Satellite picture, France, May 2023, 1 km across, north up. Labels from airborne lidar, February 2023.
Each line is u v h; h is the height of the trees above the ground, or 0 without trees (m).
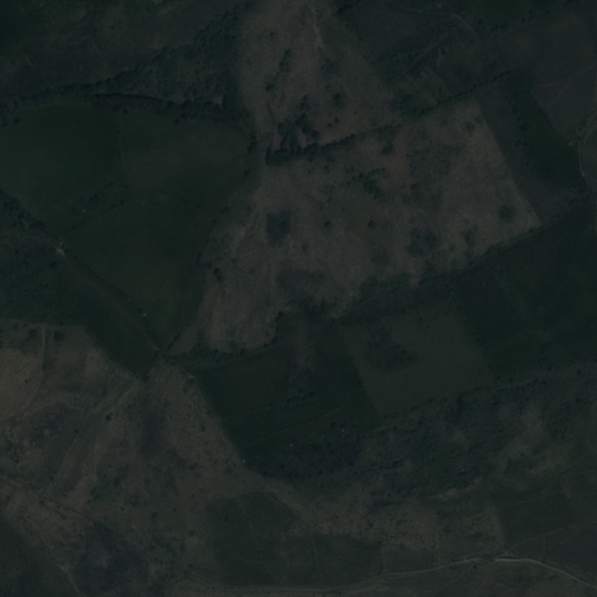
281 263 0
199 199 0
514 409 0
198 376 0
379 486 0
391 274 0
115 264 0
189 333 0
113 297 0
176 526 0
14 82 0
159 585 0
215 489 0
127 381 0
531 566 0
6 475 0
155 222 0
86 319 0
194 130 0
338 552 0
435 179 0
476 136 0
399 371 0
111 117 0
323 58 0
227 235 0
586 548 0
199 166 0
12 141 0
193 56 11
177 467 0
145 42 0
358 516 0
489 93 0
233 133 0
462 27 0
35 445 0
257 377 0
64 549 0
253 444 0
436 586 0
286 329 0
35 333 7
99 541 0
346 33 0
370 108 0
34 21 0
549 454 0
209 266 6
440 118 0
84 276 0
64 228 0
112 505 0
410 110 6
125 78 16
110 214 0
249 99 0
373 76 0
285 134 7
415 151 0
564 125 0
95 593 0
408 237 0
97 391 0
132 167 0
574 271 0
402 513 0
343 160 0
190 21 0
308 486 0
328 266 0
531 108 0
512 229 0
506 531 0
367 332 0
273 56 0
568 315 0
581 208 0
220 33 10
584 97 0
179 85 7
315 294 0
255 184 0
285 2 0
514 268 0
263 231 0
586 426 0
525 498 0
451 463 0
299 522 0
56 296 0
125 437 0
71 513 0
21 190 0
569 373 0
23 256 0
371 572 0
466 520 0
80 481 0
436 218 0
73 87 10
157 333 0
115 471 0
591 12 0
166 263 0
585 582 0
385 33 0
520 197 0
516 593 0
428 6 0
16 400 0
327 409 0
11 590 0
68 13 0
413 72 0
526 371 0
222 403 0
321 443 0
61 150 0
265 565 0
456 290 0
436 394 0
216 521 0
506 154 0
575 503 0
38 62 0
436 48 0
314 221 0
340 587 0
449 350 0
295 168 0
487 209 0
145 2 0
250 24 0
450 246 0
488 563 0
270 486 0
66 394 0
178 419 0
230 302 0
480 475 0
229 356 6
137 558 0
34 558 0
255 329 0
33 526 0
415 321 0
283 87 0
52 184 0
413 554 0
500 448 0
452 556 0
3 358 0
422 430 0
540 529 0
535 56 0
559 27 0
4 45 0
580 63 0
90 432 0
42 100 17
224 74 6
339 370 0
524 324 0
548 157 0
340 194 0
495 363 0
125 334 0
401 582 0
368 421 0
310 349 0
